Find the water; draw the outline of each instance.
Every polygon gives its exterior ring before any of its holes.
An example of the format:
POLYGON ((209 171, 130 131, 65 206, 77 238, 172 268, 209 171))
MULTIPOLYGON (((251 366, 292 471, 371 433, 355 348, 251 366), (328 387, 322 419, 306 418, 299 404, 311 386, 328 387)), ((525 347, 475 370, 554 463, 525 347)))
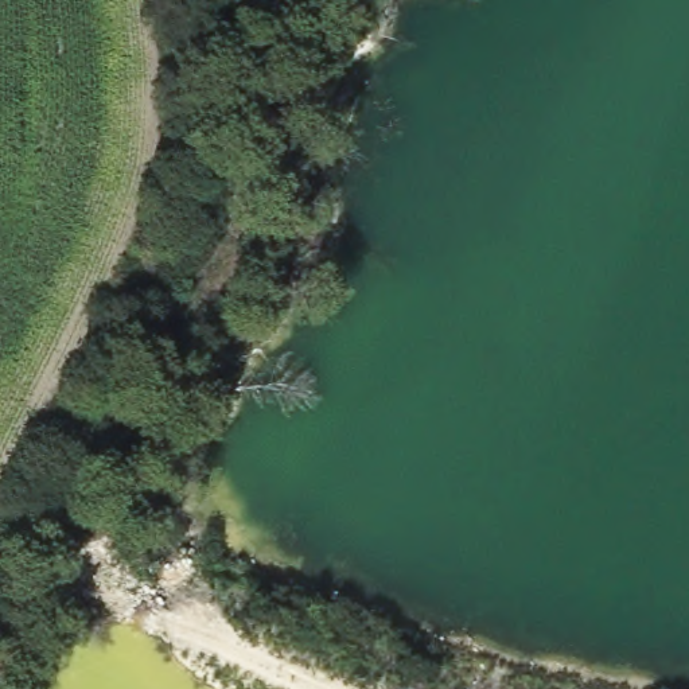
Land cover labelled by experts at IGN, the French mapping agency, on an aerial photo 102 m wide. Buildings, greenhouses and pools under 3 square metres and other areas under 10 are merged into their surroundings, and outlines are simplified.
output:
POLYGON ((75 646, 73 654, 62 659, 57 684, 51 689, 213 689, 205 681, 199 681, 191 670, 186 670, 175 657, 164 662, 156 651, 159 638, 145 632, 145 627, 116 619, 110 627, 110 643, 89 641, 75 646))
POLYGON ((390 164, 379 164, 361 175, 358 188, 342 207, 342 218, 347 223, 355 223, 366 240, 366 256, 358 272, 353 275, 361 283, 353 288, 353 299, 323 323, 293 326, 291 336, 275 350, 269 350, 261 358, 258 369, 245 363, 231 398, 231 417, 226 420, 223 436, 218 439, 223 444, 221 463, 213 468, 210 484, 186 484, 183 509, 191 517, 188 530, 188 536, 202 536, 205 528, 221 536, 226 533, 231 549, 242 549, 264 565, 296 568, 304 573, 334 571, 336 579, 358 581, 369 595, 385 595, 396 600, 401 611, 428 632, 428 641, 441 641, 441 635, 458 632, 493 641, 519 654, 568 657, 587 665, 635 670, 641 676, 649 676, 651 684, 646 689, 689 689, 689 0, 404 0, 390 38, 382 40, 377 51, 361 57, 369 65, 369 78, 361 100, 358 124, 371 143, 382 145, 390 153, 390 164))

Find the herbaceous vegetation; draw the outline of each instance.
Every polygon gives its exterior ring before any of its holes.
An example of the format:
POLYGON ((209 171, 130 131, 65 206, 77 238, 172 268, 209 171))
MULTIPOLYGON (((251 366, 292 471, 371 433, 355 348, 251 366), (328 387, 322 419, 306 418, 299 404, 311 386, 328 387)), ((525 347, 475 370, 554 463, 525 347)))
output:
POLYGON ((248 670, 240 670, 237 665, 223 665, 221 670, 215 670, 215 678, 234 689, 277 689, 248 670))
POLYGON ((420 681, 398 686, 398 678, 390 676, 385 681, 388 689, 646 689, 651 684, 649 676, 641 676, 635 670, 587 665, 568 657, 519 654, 493 641, 458 632, 441 635, 441 641, 452 643, 455 662, 441 665, 439 684, 420 681))

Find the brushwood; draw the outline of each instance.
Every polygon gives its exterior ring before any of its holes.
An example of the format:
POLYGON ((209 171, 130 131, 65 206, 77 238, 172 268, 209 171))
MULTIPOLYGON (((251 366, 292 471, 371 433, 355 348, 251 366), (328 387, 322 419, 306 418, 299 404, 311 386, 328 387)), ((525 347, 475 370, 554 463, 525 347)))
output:
POLYGON ((428 641, 428 632, 401 611, 396 600, 385 595, 369 595, 358 581, 336 579, 334 571, 304 573, 296 568, 264 565, 242 549, 231 549, 226 533, 221 536, 205 528, 202 536, 188 536, 188 530, 178 533, 172 544, 161 552, 161 557, 143 557, 129 568, 135 579, 151 584, 161 579, 167 563, 191 560, 191 565, 210 584, 210 603, 221 608, 226 622, 250 646, 266 646, 275 657, 280 651, 307 651, 315 657, 318 667, 328 673, 328 678, 339 678, 355 689, 388 689, 385 681, 390 676, 398 678, 398 686, 420 681, 439 684, 441 665, 455 662, 452 643, 441 641, 428 641))

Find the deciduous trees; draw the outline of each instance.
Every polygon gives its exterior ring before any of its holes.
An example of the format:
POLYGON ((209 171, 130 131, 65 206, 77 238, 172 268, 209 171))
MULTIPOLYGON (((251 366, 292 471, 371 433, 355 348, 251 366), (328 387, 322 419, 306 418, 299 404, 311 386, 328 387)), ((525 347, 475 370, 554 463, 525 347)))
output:
POLYGON ((186 143, 191 132, 196 132, 196 121, 178 108, 175 100, 180 97, 180 89, 175 89, 175 75, 159 65, 153 81, 159 145, 153 159, 145 164, 140 180, 137 223, 145 226, 145 234, 153 245, 153 256, 164 264, 175 264, 188 256, 196 256, 207 245, 213 234, 210 223, 221 218, 231 199, 229 178, 210 170, 196 156, 196 148, 186 143))
POLYGON ((226 5, 223 0, 143 0, 140 13, 153 32, 159 59, 172 54, 178 43, 188 40, 191 35, 213 30, 218 8, 226 5))

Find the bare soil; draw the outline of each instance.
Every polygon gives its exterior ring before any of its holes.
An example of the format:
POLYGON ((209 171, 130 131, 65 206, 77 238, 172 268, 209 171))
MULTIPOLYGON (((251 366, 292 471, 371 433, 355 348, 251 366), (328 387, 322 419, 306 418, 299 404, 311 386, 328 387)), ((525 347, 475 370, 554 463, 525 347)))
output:
POLYGON ((164 638, 159 638, 156 651, 164 662, 175 657, 186 670, 191 670, 199 681, 205 681, 213 689, 234 689, 215 678, 215 670, 221 670, 223 665, 215 654, 172 646, 164 638))
POLYGON ((374 32, 366 35, 366 40, 355 46, 355 57, 361 57, 377 51, 382 40, 390 38, 404 0, 377 0, 379 24, 374 32))

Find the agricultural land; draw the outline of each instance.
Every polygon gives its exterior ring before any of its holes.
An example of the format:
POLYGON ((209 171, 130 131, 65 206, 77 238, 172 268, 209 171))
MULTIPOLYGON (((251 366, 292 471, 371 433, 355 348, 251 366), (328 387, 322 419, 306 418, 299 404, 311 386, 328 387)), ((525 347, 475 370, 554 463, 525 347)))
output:
POLYGON ((132 240, 137 223, 140 180, 145 164, 153 159, 159 145, 153 81, 159 65, 159 59, 153 32, 140 13, 143 0, 0 0, 0 471, 8 463, 8 455, 16 447, 16 439, 22 436, 30 414, 51 401, 65 358, 86 336, 86 301, 97 283, 113 280, 113 269, 121 253, 126 250, 126 242, 132 240))

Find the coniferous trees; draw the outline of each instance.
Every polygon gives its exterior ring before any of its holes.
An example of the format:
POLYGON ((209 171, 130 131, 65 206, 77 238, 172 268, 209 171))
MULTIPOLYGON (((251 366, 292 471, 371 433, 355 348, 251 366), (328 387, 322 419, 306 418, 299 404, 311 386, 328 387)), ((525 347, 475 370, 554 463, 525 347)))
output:
POLYGON ((358 188, 361 175, 379 164, 390 164, 390 153, 382 145, 371 143, 358 124, 361 100, 369 78, 369 65, 361 57, 355 57, 355 46, 366 40, 366 35, 374 32, 379 24, 377 0, 223 0, 226 5, 218 8, 213 30, 191 35, 188 40, 178 43, 172 54, 159 59, 159 65, 175 75, 175 89, 180 89, 180 97, 175 100, 178 108, 196 121, 196 132, 191 132, 186 143, 196 148, 196 156, 210 170, 229 178, 231 199, 221 218, 210 223, 213 234, 207 245, 196 256, 188 256, 175 264, 164 264, 153 256, 153 245, 145 234, 145 226, 137 223, 132 240, 126 242, 126 250, 121 253, 113 269, 113 280, 97 283, 86 301, 86 336, 65 358, 51 401, 30 414, 22 436, 16 439, 16 447, 8 455, 8 463, 0 471, 0 689, 51 689, 57 684, 62 659, 73 654, 75 646, 89 641, 110 643, 110 627, 116 619, 113 611, 97 595, 97 565, 92 563, 86 544, 94 538, 108 538, 108 549, 118 560, 118 565, 129 568, 143 557, 161 557, 161 552, 172 544, 178 533, 188 530, 191 517, 183 509, 186 484, 210 484, 213 468, 221 463, 223 444, 218 439, 223 436, 226 420, 231 417, 231 398, 245 363, 258 369, 261 358, 269 350, 275 350, 291 336, 293 326, 323 323, 353 299, 353 288, 361 283, 353 275, 358 272, 366 256, 366 240, 355 223, 347 223, 342 218, 342 207, 358 188))

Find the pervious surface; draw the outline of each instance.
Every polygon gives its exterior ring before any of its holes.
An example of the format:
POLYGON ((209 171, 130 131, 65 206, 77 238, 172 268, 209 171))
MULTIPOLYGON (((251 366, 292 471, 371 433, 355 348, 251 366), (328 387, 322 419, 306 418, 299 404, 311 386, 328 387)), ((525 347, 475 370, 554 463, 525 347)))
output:
POLYGON ((129 568, 118 565, 118 560, 108 549, 108 538, 94 538, 86 544, 92 563, 97 565, 97 595, 113 611, 116 619, 145 627, 145 632, 159 638, 164 638, 172 646, 215 654, 223 665, 237 665, 240 670, 248 670, 277 689, 355 689, 339 678, 328 678, 328 673, 318 667, 315 657, 307 651, 280 651, 275 657, 266 646, 250 646, 226 622, 221 608, 210 603, 210 584, 191 565, 191 560, 167 563, 161 579, 151 584, 135 579, 129 568))

